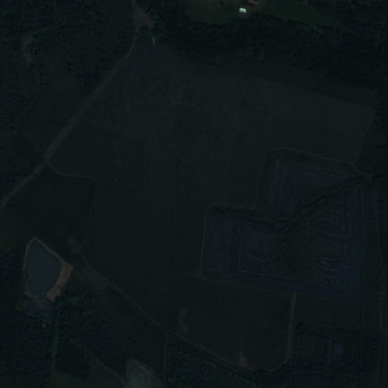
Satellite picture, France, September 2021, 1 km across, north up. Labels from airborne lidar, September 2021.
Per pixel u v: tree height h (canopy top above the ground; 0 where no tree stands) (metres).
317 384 15
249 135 0
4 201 0
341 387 14
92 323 13
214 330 0
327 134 0
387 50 9
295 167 0
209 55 11
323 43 22
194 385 17
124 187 0
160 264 0
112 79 0
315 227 0
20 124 0
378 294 8
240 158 0
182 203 0
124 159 0
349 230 0
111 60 7
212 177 0
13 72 7
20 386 0
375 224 7
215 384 13
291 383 15
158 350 0
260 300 0
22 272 15
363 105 0
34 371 17
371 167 0
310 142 0
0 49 7
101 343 13
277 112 0
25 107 9
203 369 7
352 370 15
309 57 17
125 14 0
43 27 21
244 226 0
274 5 0
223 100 0
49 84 7
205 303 0
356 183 8
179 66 0
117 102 0
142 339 0
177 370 10
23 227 0
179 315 0
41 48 10
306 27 10
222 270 0
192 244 0
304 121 0
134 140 0
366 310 0
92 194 0
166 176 0
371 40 22
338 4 28
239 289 0
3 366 22
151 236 0
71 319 17
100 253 0
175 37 23
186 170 0
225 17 0
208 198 0
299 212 8
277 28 18
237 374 8
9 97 8
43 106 0
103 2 0
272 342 0
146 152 0
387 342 0
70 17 19
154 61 0
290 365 10
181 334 0
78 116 0
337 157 0
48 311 0
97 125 0
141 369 0
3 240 0
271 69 0
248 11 0
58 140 0
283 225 5
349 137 0
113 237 0
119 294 7
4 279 15
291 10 0
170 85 0
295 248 7
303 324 7
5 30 18
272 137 0
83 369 18
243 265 0
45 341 11
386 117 15
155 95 0
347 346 11
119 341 9
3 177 11
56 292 0
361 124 0
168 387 9
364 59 13
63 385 0
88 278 0
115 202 0
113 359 13
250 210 0
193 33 21
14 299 20
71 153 0
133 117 0
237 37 23
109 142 0
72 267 0
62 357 10
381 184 14
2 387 0
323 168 0
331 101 0
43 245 0
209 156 0
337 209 0
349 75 24
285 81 0
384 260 9
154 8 15
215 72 0
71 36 12
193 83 0
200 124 0
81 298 10
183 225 0
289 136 0
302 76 0
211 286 0
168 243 0
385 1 30
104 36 9
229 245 0
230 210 6
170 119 0
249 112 0
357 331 6
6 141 0
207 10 0
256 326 0
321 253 0
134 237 0
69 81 0
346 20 18
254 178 0
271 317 0
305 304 6
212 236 0
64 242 0
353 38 15
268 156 0
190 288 0
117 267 0
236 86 0
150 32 14
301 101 0
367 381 10
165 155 0
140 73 0
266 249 0
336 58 25
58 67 0
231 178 0
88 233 0
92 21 11
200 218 0
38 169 0
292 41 25
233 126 0
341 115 0
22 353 16
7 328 20
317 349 11
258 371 6
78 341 10
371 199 9
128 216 0
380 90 16
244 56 11
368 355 10
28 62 0
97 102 0
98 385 0
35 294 0
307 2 13
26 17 22
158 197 0
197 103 0
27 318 17
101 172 0
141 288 0
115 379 0
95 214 0
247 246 0
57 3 20
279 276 0
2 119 6
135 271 0
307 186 6
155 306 0
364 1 34
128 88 0
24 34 19
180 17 22
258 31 26
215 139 0
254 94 0
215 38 25
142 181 0
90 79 21
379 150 6
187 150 0
